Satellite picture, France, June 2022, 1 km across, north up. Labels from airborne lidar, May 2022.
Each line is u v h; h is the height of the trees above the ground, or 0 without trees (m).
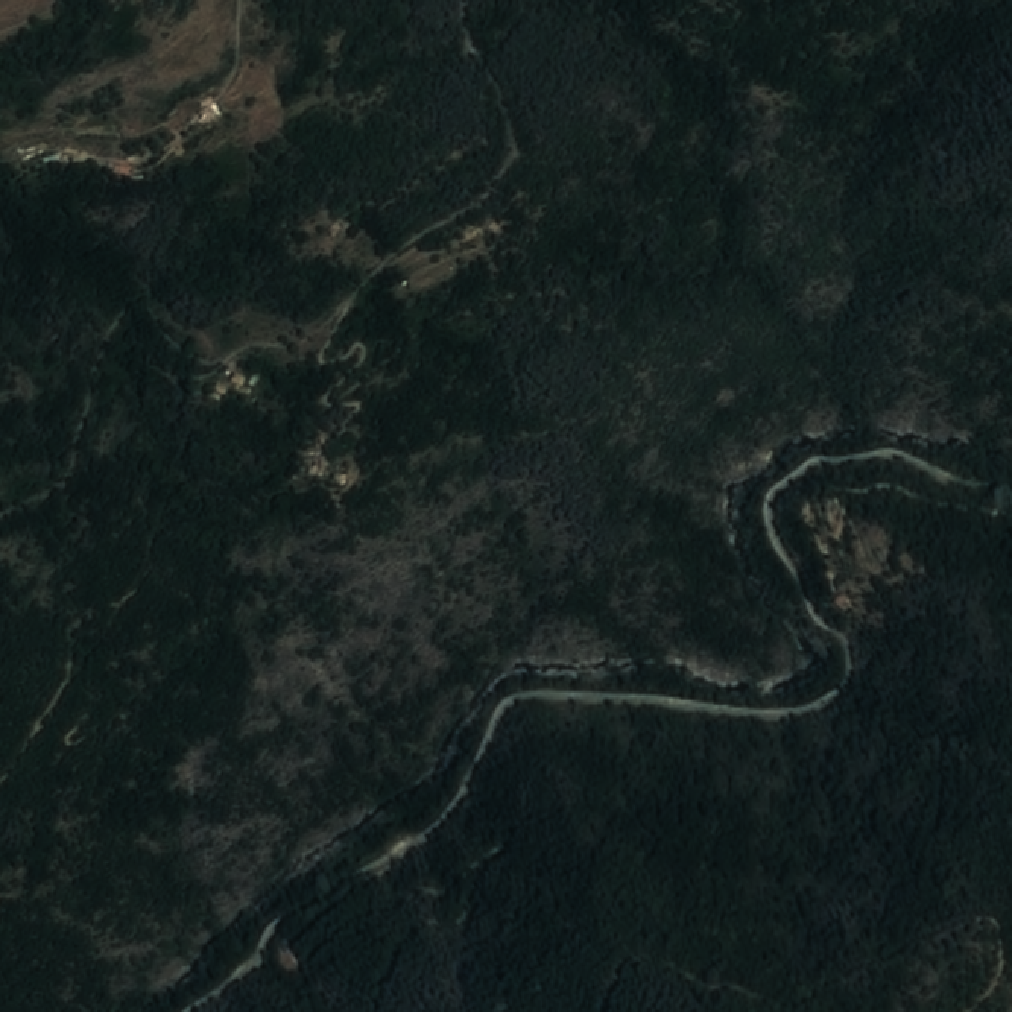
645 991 20
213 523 17
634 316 14
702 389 10
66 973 8
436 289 8
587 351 14
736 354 10
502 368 9
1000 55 13
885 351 7
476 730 9
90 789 9
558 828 12
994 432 12
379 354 11
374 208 8
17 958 13
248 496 10
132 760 11
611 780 13
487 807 15
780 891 8
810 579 19
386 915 12
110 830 11
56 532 9
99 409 6
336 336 8
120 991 7
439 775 11
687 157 7
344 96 7
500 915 14
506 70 21
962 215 10
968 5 12
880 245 10
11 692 15
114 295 12
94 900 10
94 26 11
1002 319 8
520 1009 21
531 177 12
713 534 10
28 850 17
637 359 14
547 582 9
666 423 8
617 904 14
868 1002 6
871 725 10
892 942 12
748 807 11
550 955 12
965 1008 8
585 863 14
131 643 8
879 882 7
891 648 15
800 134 12
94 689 13
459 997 13
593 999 22
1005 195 12
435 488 10
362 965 23
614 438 7
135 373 20
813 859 7
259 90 0
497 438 10
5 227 18
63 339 14
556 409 18
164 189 10
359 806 12
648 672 13
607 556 14
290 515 10
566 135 9
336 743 9
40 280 19
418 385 13
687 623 10
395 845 0
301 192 13
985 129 13
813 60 12
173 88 0
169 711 15
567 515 14
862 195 11
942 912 10
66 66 11
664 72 6
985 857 9
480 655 9
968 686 9
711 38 9
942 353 11
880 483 8
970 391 10
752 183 8
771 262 11
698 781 10
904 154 13
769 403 7
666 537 7
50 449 17
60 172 13
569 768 7
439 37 16
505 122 11
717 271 13
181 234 16
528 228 16
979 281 6
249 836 6
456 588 9
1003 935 8
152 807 22
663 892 14
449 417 12
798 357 9
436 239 13
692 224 16
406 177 13
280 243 7
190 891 11
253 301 8
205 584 14
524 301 7
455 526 9
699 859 17
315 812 9
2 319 15
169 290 16
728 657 14
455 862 8
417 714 11
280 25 9
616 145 13
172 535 11
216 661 6
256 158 9
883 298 13
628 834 21
